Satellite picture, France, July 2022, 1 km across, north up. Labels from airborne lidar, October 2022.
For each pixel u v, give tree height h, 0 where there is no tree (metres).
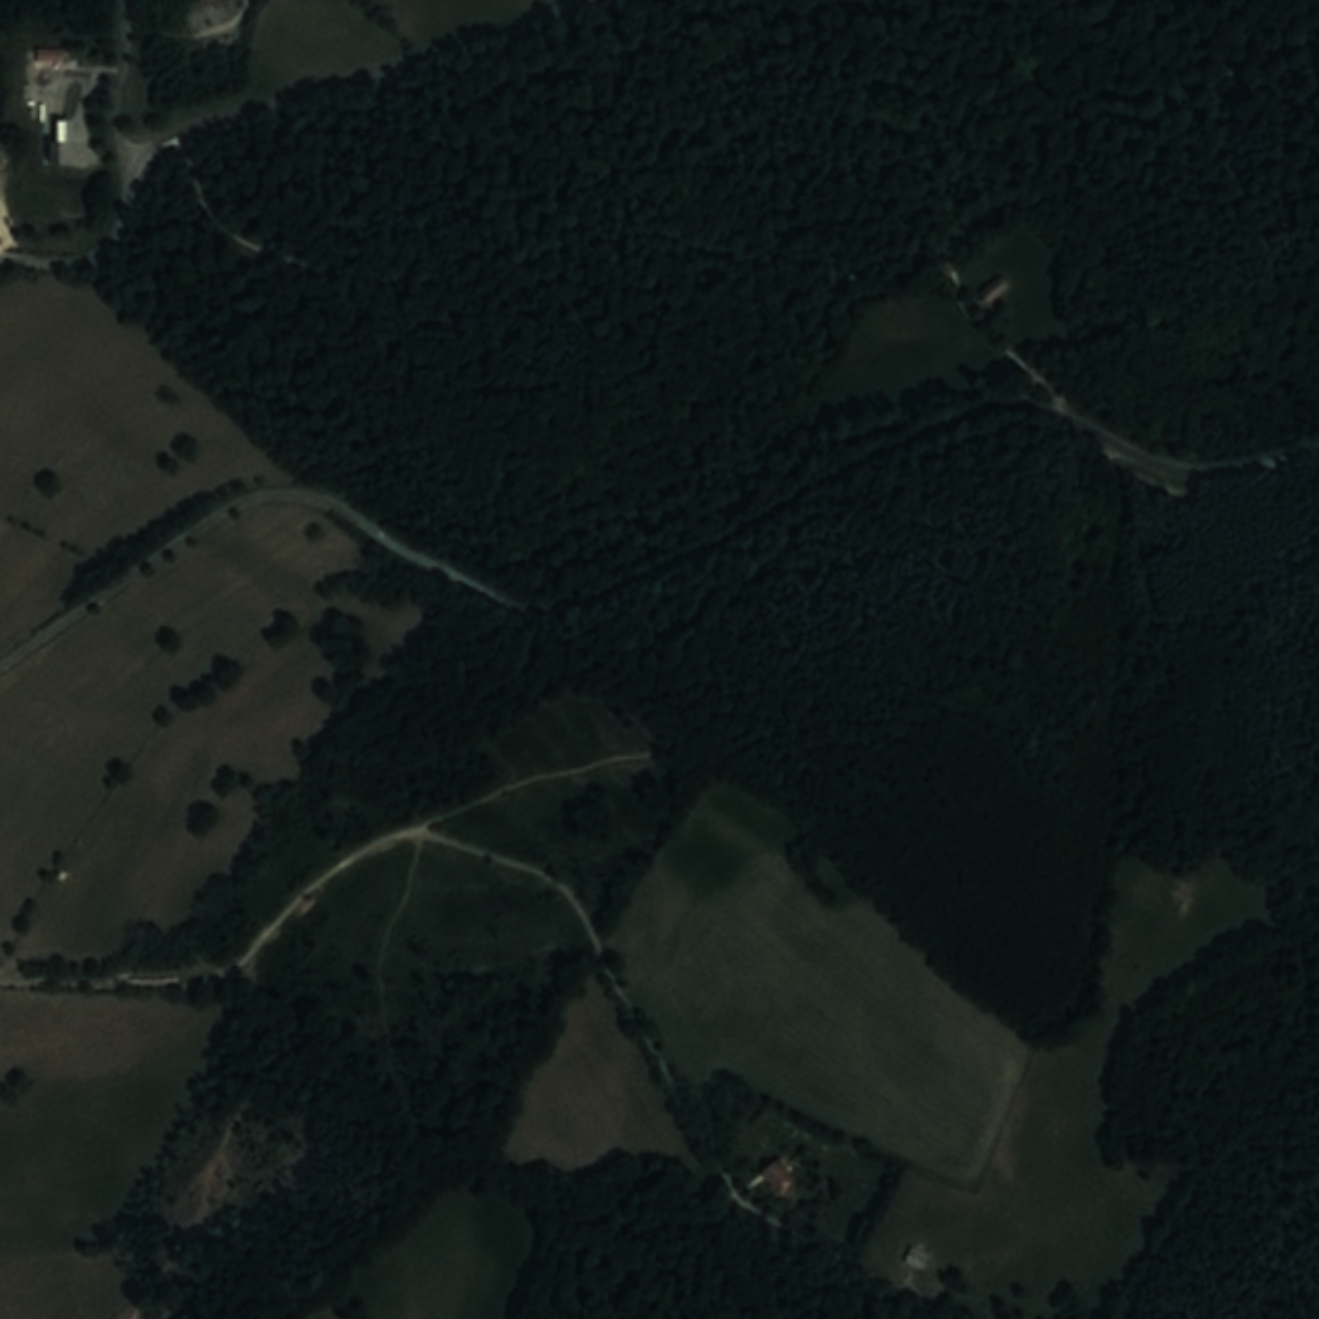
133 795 0
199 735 0
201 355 23
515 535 31
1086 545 27
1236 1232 8
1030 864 11
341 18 0
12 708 0
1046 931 9
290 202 25
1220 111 19
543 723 0
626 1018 12
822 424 12
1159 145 24
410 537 19
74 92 0
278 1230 26
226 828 0
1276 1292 22
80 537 0
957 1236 0
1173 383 15
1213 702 19
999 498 17
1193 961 0
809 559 19
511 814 0
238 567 0
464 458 15
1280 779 21
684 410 27
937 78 29
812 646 24
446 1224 0
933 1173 0
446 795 9
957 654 17
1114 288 25
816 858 18
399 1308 0
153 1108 0
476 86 31
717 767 19
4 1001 0
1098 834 10
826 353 18
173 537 14
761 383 29
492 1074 19
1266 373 21
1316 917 25
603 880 6
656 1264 26
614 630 23
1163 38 33
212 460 0
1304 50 34
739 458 33
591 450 16
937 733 10
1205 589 23
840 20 33
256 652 0
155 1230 30
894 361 0
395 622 0
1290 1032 9
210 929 14
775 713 17
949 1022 0
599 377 24
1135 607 22
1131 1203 0
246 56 11
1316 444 23
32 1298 0
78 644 0
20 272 17
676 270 30
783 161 28
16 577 0
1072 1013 11
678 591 28
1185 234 26
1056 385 28
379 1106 25
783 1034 0
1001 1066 0
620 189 29
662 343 24
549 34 31
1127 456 0
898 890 14
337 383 23
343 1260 19
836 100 29
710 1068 0
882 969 0
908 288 29
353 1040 16
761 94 30
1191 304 15
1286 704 21
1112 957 18
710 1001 0
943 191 28
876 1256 0
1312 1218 6
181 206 26
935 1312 24
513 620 31
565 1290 30
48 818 0
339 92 23
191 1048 0
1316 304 31
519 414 22
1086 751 11
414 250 29
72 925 0
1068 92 27
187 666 0
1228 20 29
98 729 0
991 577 25
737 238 28
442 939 0
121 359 0
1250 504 26
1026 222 23
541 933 0
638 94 30
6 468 0
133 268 32
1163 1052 12
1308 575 34
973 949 13
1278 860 11
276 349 28
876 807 14
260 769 0
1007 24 34
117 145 0
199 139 17
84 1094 0
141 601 0
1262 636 27
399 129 29
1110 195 22
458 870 0
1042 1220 0
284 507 0
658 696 19
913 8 30
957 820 12
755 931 0
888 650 25
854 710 21
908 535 18
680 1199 26
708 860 0
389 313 21
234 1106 26
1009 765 8
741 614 25
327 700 15
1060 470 21
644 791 23
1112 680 10
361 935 0
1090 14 31
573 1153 0
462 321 26
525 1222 0
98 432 0
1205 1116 7
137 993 14
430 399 19
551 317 26
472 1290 0
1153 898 0
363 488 15
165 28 8
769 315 23
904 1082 0
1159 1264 20
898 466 27
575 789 0
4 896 0
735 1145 20
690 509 34
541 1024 27
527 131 27
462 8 0
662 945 0
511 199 20
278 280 22
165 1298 30
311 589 0
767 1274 23
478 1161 27
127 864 0
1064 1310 16
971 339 0
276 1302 26
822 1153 0
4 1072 0
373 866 0
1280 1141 7
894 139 29
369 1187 25
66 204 0
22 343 0
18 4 22
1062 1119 0
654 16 31
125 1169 0
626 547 35
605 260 28
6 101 13
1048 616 13
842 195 31
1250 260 18
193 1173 0
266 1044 23
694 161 29
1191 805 21
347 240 21
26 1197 0
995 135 30
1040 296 0
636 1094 0
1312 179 28
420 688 25
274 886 0
